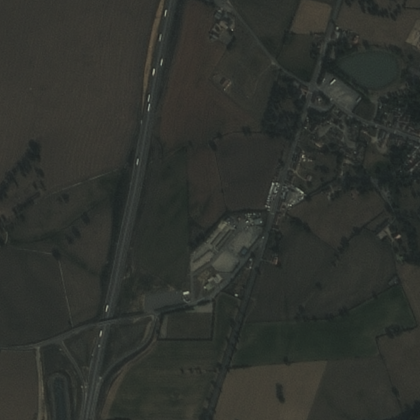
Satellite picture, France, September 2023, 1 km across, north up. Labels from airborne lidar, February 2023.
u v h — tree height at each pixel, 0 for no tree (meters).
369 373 0
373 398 0
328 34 0
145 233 0
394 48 12
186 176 0
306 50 0
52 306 0
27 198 0
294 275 0
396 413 0
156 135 0
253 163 0
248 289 0
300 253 0
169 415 0
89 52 0
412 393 0
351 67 0
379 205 0
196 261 0
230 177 0
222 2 0
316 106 0
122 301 0
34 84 0
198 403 0
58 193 0
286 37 12
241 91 0
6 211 0
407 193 0
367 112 0
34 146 20
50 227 0
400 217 18
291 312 0
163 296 0
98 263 0
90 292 0
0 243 16
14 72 0
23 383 0
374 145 0
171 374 0
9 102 0
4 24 0
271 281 0
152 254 0
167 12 0
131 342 0
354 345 0
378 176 0
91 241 0
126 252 0
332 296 0
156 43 0
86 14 0
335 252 0
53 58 0
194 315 0
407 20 0
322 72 9
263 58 0
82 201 0
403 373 0
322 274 0
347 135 0
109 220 0
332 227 0
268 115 14
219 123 0
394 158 19
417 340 0
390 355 0
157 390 0
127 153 0
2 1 0
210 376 0
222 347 0
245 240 0
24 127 0
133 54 0
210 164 0
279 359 0
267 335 0
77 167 0
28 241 0
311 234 0
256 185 0
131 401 0
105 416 0
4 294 0
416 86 15
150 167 0
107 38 0
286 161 0
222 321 0
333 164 0
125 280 0
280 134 11
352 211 0
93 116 0
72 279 0
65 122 0
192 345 0
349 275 0
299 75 0
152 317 0
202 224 0
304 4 0
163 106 0
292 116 15
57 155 0
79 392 0
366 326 0
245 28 0
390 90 0
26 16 0
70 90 0
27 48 0
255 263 0
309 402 0
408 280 0
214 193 0
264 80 0
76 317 0
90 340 0
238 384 0
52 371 0
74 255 0
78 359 0
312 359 0
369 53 0
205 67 0
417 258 15
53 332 0
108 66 0
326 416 0
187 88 0
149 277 0
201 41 0
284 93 13
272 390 0
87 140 0
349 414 0
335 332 0
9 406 0
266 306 0
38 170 12
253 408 0
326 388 0
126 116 0
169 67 0
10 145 0
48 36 0
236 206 0
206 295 0
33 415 0
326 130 0
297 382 0
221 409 0
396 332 17
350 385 0
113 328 0
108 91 0
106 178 0
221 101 0
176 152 0
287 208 0
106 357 0
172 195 0
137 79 0
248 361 0
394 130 0
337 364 0
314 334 0
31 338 0
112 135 0
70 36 0
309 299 0
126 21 0
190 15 0
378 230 0
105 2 0
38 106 0
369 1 12
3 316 0
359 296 0
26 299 0
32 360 0
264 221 0
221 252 0
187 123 0
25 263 0
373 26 0
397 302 0
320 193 0
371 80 0
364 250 0
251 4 0
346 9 0
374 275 0
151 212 0
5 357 0
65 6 0
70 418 0
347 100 0
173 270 0
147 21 0
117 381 0
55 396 0
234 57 0
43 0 0
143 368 0
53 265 0
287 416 0
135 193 0
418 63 0
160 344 0
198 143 0
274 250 9
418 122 5
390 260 0
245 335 0
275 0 0
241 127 0
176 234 0
